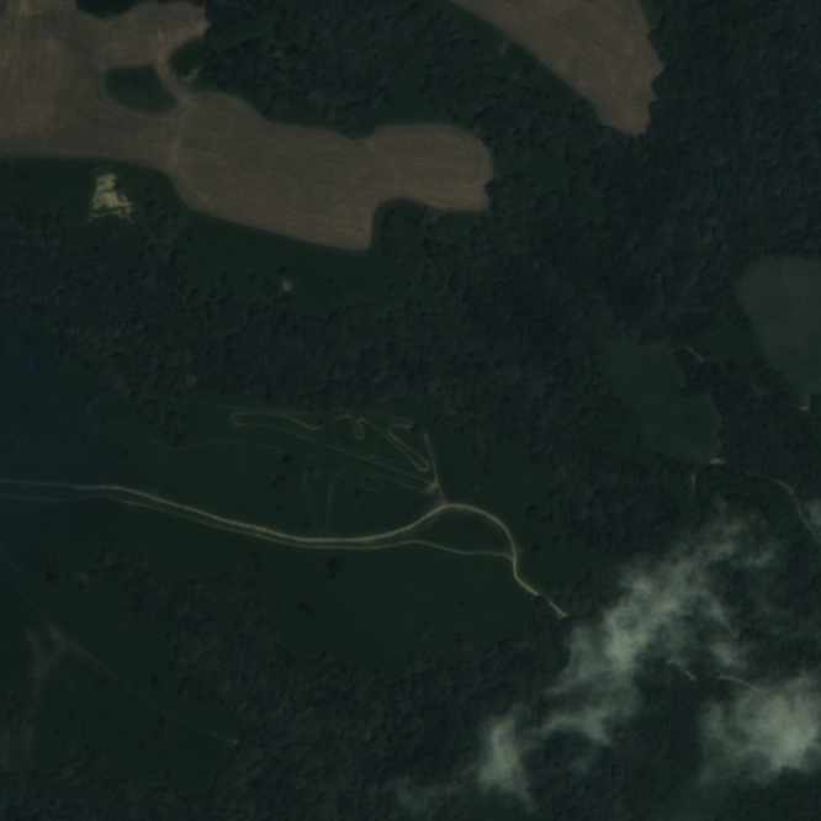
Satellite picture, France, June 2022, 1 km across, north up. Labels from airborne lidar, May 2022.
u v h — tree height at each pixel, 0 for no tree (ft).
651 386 0
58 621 0
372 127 40
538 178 0
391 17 92
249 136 0
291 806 52
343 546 0
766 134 34
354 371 32
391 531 0
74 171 0
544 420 54
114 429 0
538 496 0
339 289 0
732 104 50
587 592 45
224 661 45
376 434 0
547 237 56
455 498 0
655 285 57
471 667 48
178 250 39
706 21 91
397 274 0
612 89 0
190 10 0
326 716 75
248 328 82
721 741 0
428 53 73
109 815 45
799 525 71
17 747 0
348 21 77
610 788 55
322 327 65
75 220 0
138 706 0
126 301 77
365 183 0
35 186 0
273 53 72
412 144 0
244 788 36
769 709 22
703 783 0
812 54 33
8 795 81
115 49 0
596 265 34
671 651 54
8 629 0
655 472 64
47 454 0
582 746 37
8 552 0
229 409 0
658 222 84
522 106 80
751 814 46
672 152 35
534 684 57
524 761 46
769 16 71
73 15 0
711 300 53
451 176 0
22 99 0
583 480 29
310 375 79
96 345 43
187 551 0
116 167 0
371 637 0
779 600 26
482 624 0
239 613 36
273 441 0
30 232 60
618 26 0
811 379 0
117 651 0
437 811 40
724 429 21
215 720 0
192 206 0
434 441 0
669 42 61
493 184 50
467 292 68
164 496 0
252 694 28
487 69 67
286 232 0
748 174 82
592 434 75
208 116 0
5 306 39
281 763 49
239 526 0
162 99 0
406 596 0
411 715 70
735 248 40
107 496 0
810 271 0
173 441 32
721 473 73
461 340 84
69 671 0
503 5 0
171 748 0
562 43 0
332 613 0
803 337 0
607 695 56
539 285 62
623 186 63
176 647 41
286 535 0
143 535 0
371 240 0
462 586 0
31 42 0
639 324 53
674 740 20
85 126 0
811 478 43
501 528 0
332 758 73
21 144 0
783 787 35
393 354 75
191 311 87
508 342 80
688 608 26
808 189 34
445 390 27
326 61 65
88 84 0
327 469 0
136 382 26
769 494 78
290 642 0
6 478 0
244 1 45
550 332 66
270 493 0
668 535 73
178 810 19
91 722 0
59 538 0
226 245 0
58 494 0
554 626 23
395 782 35
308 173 0
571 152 62
